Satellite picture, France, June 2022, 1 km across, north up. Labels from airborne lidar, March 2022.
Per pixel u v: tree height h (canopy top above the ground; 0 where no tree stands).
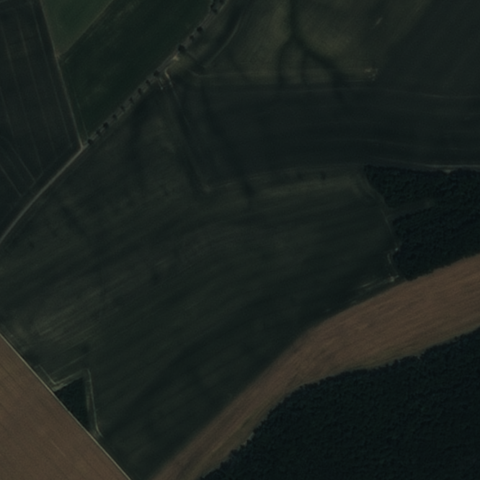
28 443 0
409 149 0
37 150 0
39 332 0
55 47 0
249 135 0
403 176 17
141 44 0
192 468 0
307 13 0
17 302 0
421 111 0
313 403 20
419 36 0
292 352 0
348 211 0
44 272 0
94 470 0
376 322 0
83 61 0
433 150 0
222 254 0
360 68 0
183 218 0
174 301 0
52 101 0
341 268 0
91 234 0
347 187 0
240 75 0
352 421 20
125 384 0
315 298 0
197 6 0
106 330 0
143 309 0
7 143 0
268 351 0
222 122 0
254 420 0
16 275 0
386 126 0
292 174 0
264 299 0
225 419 0
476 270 0
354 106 0
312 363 0
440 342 0
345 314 0
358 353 0
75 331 0
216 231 0
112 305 0
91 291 0
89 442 0
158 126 0
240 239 0
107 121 0
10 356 0
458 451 20
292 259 0
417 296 0
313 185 0
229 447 0
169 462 0
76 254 0
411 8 0
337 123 0
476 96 0
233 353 0
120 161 0
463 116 0
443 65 0
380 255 0
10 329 0
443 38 0
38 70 0
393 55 0
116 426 0
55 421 0
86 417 8
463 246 24
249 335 0
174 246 0
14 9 0
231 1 0
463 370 12
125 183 0
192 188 0
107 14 0
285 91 0
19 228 0
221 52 0
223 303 0
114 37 0
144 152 0
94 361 0
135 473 0
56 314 0
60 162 0
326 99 0
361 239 0
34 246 0
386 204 6
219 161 0
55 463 0
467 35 0
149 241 0
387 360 0
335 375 0
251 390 0
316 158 0
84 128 0
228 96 0
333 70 0
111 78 0
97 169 0
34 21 0
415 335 0
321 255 0
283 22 0
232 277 0
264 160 0
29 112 0
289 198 0
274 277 0
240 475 18
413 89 0
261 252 0
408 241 16
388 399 21
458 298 0
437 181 20
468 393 23
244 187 0
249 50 0
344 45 0
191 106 0
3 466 0
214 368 0
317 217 0
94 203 0
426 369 19
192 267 0
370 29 0
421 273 15
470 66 0
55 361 0
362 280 0
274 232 0
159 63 0
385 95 0
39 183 0
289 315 0
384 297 0
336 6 0
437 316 0
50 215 0
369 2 0
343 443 21
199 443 0
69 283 0
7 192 0
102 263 0
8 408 0
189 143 0
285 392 0
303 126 0
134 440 0
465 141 0
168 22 0
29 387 0
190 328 0
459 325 0
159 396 0
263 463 20
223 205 0
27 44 0
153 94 0
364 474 19
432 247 20
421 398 18
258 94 0
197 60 0
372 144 0
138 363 0
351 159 0
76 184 0
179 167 0
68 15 0
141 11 0
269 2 0
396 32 0
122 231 0
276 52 0
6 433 0
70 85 0
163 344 0
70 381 0
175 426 0
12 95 0
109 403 0
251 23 0
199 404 0
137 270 0
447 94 0
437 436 20
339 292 0
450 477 19
